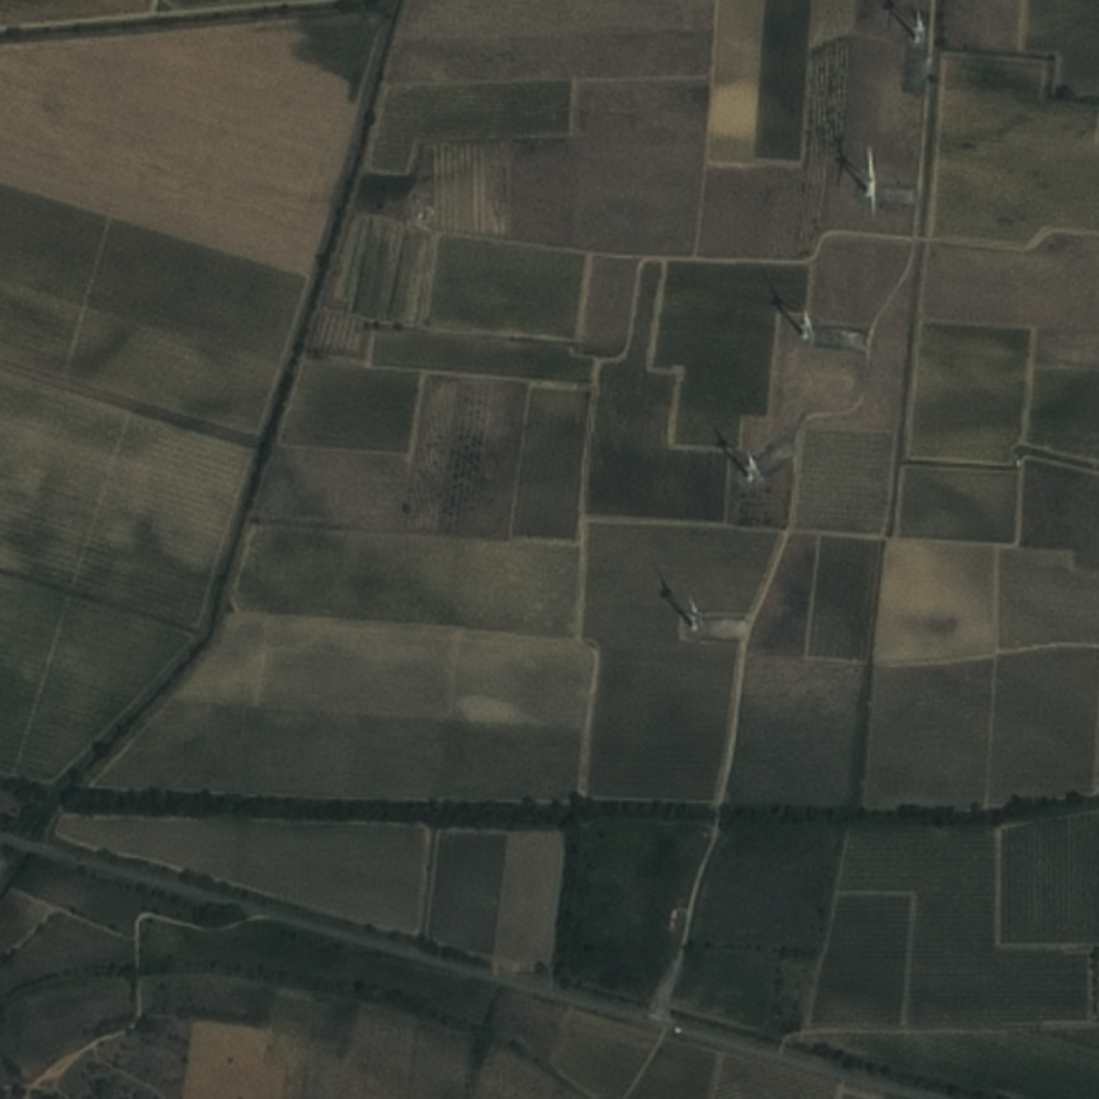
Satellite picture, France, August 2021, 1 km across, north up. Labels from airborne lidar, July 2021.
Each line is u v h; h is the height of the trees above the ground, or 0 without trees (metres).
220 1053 0
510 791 0
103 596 0
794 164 0
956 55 0
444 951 8
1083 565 0
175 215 0
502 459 0
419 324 0
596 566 0
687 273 0
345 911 0
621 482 0
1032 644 0
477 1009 0
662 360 0
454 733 0
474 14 0
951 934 0
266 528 0
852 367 0
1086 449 0
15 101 0
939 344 0
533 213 0
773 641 0
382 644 0
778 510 0
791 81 0
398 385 0
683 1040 0
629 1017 0
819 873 0
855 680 0
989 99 0
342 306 0
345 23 0
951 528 0
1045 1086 0
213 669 0
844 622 0
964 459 0
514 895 0
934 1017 0
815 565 0
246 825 0
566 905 6
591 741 0
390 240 0
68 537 0
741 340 0
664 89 0
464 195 0
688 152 0
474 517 0
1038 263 0
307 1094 0
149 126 0
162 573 0
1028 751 0
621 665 0
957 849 0
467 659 0
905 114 0
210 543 0
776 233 0
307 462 0
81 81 0
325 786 0
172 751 0
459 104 0
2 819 12
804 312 0
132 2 0
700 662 0
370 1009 0
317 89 0
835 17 0
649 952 0
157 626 0
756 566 0
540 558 0
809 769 0
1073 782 0
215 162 0
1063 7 0
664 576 0
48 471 0
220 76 0
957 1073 0
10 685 0
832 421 0
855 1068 14
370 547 0
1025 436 0
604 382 0
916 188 0
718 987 0
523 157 0
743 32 0
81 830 0
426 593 0
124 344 0
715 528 0
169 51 0
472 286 0
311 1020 0
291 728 0
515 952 0
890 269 0
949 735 0
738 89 0
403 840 0
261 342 0
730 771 0
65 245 0
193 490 0
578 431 0
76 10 0
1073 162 0
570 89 0
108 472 0
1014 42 0
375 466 0
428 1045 0
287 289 0
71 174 0
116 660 0
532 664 0
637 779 0
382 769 0
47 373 0
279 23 0
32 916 0
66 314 0
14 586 0
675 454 0
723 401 0
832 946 0
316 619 0
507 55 0
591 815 13
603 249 0
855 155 0
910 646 0
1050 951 0
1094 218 0
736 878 0
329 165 0
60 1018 0
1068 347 0
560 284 0
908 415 0
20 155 0
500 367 0
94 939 0
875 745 0
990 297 0
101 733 0
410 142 0
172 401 0
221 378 0
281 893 0
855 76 0
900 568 0
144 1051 0
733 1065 0
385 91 0
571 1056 0
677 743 0
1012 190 0
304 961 0
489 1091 0
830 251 0
